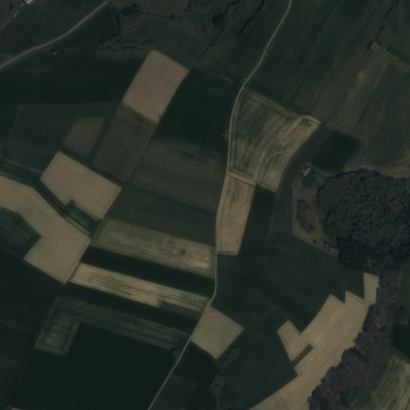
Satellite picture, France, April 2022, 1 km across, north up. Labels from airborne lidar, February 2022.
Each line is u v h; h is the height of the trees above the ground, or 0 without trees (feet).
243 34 31
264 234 0
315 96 0
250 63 0
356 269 58
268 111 0
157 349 0
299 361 0
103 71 0
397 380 0
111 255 0
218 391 60
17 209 0
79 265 0
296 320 0
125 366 0
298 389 0
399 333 0
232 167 0
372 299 0
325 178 30
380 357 106
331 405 81
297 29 0
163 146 0
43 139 0
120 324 0
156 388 0
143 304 0
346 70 0
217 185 0
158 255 0
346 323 0
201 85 0
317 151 0
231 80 0
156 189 0
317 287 0
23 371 0
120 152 0
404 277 0
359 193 56
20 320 0
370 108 0
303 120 0
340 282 0
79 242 0
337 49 0
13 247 0
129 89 0
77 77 0
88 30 0
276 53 0
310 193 0
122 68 0
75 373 0
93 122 0
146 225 0
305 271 0
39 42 0
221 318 0
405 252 70
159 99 0
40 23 0
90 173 0
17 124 0
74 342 0
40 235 0
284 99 0
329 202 45
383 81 0
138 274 0
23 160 0
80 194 0
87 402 0
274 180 0
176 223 0
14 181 0
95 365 0
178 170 0
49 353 0
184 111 0
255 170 0
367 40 0
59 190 0
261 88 0
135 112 0
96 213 0
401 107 0
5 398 0
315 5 0
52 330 0
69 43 0
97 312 0
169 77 0
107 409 0
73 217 0
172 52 0
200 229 0
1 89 0
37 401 0
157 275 0
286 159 0
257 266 0
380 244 53
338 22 0
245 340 0
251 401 0
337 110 0
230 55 0
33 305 0
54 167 0
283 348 0
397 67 0
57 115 0
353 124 0
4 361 0
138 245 0
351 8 0
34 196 0
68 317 0
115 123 0
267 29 0
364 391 87
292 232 0
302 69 0
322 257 0
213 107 0
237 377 0
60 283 0
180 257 0
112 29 0
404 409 0
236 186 0
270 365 0
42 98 0
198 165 0
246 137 0
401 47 0
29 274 0
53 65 0
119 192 0
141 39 0
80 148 0
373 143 0
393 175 0
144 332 0
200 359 0
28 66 0
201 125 0
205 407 0
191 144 0
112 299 0
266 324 0
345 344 0
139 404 0
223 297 0
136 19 91
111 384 0
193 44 0
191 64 0
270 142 0
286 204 0
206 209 0
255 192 0
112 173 0
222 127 0
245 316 0
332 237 0
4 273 0
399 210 64
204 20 0
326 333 0
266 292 0
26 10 0
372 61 0
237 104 0
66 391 0
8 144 0
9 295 0
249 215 0
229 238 0
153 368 0
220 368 0
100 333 0
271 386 0
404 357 0
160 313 0
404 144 0
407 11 0
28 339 0
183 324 0
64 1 0
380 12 0
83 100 0
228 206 0
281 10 0
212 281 0
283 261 0
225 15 23
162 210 0
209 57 0
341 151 0
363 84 0
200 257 0
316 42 0
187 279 0
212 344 0
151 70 0
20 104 0
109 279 0
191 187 0
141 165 0
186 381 0
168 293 0
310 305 0
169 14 0
